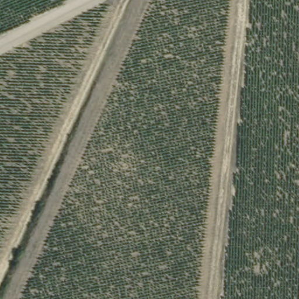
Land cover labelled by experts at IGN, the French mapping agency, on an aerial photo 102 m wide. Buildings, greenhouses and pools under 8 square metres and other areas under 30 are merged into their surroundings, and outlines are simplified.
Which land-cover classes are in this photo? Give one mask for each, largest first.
<instances>
[{"label":"vineyard","instance_id":"1","mask_svg":"<svg viewBox=\"0 0 299 299\"><path fill-rule=\"evenodd\" d=\"M67 0H0V34L26 25L34 15L62 6ZM119 0H105L98 7L88 9L74 19L61 23L50 33L37 35L29 41L28 47H15L12 53L0 55V253L1 242L11 241L15 228L18 227L22 215L20 203L29 199L40 179L48 154L81 88ZM230 0H152L149 4H153L154 8L140 23L137 32L140 39L133 40L131 44L123 63L124 67L117 76L120 84L113 85L92 137L86 144L82 155L83 161L78 165L69 190L63 197L62 207L58 210L53 227L44 241V245H48L47 249H44L43 255L37 258L32 277L27 280L20 299H199L197 286L201 277L200 267L210 192L209 160L213 158L214 153L217 111L220 103L218 93L221 91L223 47L227 36ZM248 18L251 28L245 29L244 88L239 90L237 100L242 119V123L236 125L238 173L232 174L235 196L232 199V209L228 211L229 241L224 264L222 299H299V0H249Z\"/></svg>","mask_w":299,"mask_h":299},{"label":"herbaceous vegetation","instance_id":"2","mask_svg":"<svg viewBox=\"0 0 299 299\"><path fill-rule=\"evenodd\" d=\"M152 0H128L123 18L119 21L88 95L65 139L53 173L40 199L35 203L25 234L20 244L12 250L13 257L9 260L8 269L0 284V299H20L27 280L32 277L37 258L43 255L44 249H47L48 245H44V241L53 227L58 210L62 207L63 197L69 190L78 165L83 161L82 155L86 144L92 137L113 85L120 84L117 76L124 67L123 63L131 44L133 40L140 39L137 32L140 23L154 8L153 4H149ZM249 0H230L227 36L223 47L221 91L218 93L220 103L217 111L214 153L213 158L209 160L210 192L200 267L201 277L197 286L199 299H222L224 264L229 241L228 211L232 209V199L235 196L232 174L238 173L236 125L242 123V119L237 100L239 90L244 88L245 29L251 28L248 18Z\"/></svg>","mask_w":299,"mask_h":299},{"label":"pervious surface","instance_id":"3","mask_svg":"<svg viewBox=\"0 0 299 299\"><path fill-rule=\"evenodd\" d=\"M105 0H67L62 6L34 15L26 25L0 34V55L12 53L15 47H28L29 41L37 35L50 33L61 23L74 19L88 9L98 7ZM128 0H119L81 88L48 154L40 179L29 199L20 203L22 215L18 227L15 228L11 241L1 242L0 253V284L8 269L9 260L13 257L12 250L20 244L25 234L35 203L40 199L53 173L65 139L88 95L119 21L123 18Z\"/></svg>","mask_w":299,"mask_h":299}]
</instances>
